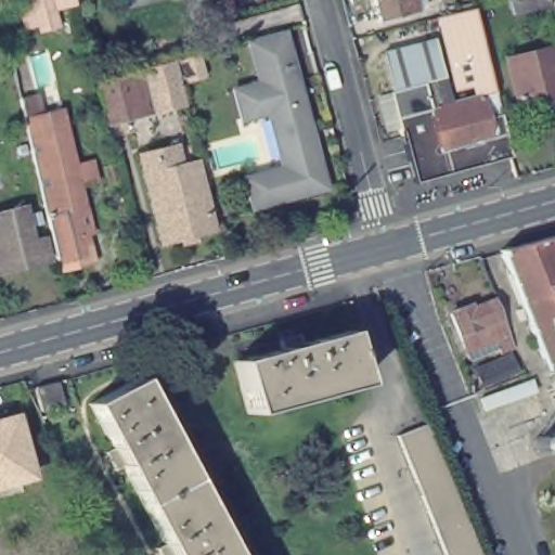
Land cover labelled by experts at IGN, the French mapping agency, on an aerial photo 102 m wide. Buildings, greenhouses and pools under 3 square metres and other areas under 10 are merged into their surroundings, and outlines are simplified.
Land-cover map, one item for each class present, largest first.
<instances>
[{"label":"impervious surface","instance_id":"1","mask_svg":"<svg viewBox=\"0 0 555 555\"><path fill-rule=\"evenodd\" d=\"M425 17L421 9L399 17H382V7L377 0H295L286 9L236 22L241 39L247 43L260 37L291 33L304 87L314 85L312 74L325 72L327 85L332 89V93L327 95L332 119L334 126V134L340 147L338 152L347 165L345 178L347 189H358V219L349 225L347 236L336 245H332L327 238L312 234L301 245L284 247L262 256H243L238 260H202L199 256H193L191 264L182 269H173L160 256L158 269L150 275V282L132 293L113 288L108 280L98 286L100 295L87 304H80L76 299L65 306L61 301L39 304L30 308V312L24 319L17 321H11L4 314H0V388L24 384L28 388H35L37 412L50 414V408L43 401V386L67 384L69 379H80L85 375L98 373L111 366L108 362L113 360V345L117 343V336L121 334L124 325L137 327L143 323L145 314L160 308H167L173 314H180L202 325L204 343L208 345L215 358L219 353L225 358L232 356L247 343L264 336L267 330H271L273 325V319L297 310H312L321 321L345 325L353 334L369 332L382 371V382L364 384L360 388H356L353 384L347 388L349 395L364 392L366 403L362 414L358 418H351L349 429L343 431L345 447L351 462L353 483L356 501L362 505V509L369 533V540H375L377 555H451L403 438V434L425 427L418 418V405L410 392L408 377L397 353V340L390 327V319L384 310L386 301H395V306L399 308L405 332L412 336V347L416 351L418 364L425 371L427 382L436 395L444 429L453 444L473 503L479 512L486 538L492 546V555H548V546L538 520V507H535V483L555 468V453L551 449L553 440H538V434L555 423V364L546 349L535 314L529 306L527 293L518 278L509 249L531 245L544 238H555V169L531 167L529 178L518 176L514 178L509 173V158L490 156L486 165L447 173L440 178H429L421 184L414 182L412 178L416 173V165L405 160V134H395L384 126L377 100L371 78L366 69L369 54L362 50L360 41L375 37L377 28ZM464 260H477L490 286V293L481 295L483 304L492 299L501 301L505 310L507 334L512 338L509 349L518 351L525 364L529 366V379L538 386V392L494 410H483V395L475 390L473 377H464L462 373L457 375V371L453 366L451 353L436 321L431 304L434 286L427 269H453ZM43 54L50 69V85L46 89L50 102H61L52 63L61 59V52ZM17 91L22 95L26 89H33L26 65L15 76ZM124 134L137 132L139 143L150 141L156 137H167L171 145H182V154L189 163L193 160L186 137L180 134V113L176 108L171 113L154 111L145 117H139L137 121H126L117 128ZM238 134L215 141L208 150H204L202 160L208 184L217 180L238 169L236 165L217 167L212 156L215 150L254 141L258 158L256 163H245L243 167L249 178L256 176L258 165H267L280 158V145L271 121L249 124L236 119Z\"/></svg>","mask_w":555,"mask_h":555},{"label":"building","instance_id":"2","mask_svg":"<svg viewBox=\"0 0 555 555\"><path fill-rule=\"evenodd\" d=\"M80 0H37L24 15V24L39 33L59 30L61 22V11L76 9ZM382 7V17H399L421 9L425 0H377ZM516 17L544 13L546 17L555 20V0H507ZM442 39L438 41L434 39L427 43L386 52L388 72L392 91L390 95H382L377 100L384 126L395 134H405V160L416 165V173L412 178L414 182L421 184L429 178H440L447 173L486 165L490 156L509 158V173L514 178L518 176L514 165L516 154L512 152L507 141L509 126L501 95L479 11H464L442 17L440 30ZM251 50V67L256 82L232 89L236 119L249 124L271 121L280 145V158L267 165H258L256 176L249 178L251 210H264L278 204L314 199L319 193H330L332 184L319 141L321 117L317 108L314 85L304 87L291 33L260 37L247 43ZM505 80L509 82V89L516 100L551 95L555 102V46L548 43L542 50L507 56L505 65H501ZM208 72L202 59L176 56L165 65H152L150 69H139L124 74L119 78H111L115 85L102 98V104L108 115V126L117 128L126 121H137L139 117H145L154 111L171 113L176 108L180 113L189 106L186 89L193 82L206 80ZM24 100L20 102V111L28 121V145H20L17 156L30 158L43 208L35 212L30 210V206H15L11 210L0 212V280L11 282L22 271L35 267H50L59 260L63 271L72 273L80 269H93L98 264L93 236H100V230L95 228L89 208L87 184L98 176L100 160L93 163L78 158L72 126L67 113L65 104L61 102H50L46 89H26L22 95ZM154 152H145L141 156V165L152 199V215L154 221L158 225L163 247L197 245L208 236L219 234V225L208 184L202 160H193L189 163L182 154V145H171L167 137H156L150 141ZM518 278L527 293L529 306L535 314L546 349L555 364V238H544L531 245L509 249ZM455 340L464 358H468L466 366L457 371V375L462 373L464 377H473L475 390L483 395V410H494L538 392V386L529 379V366L525 364L518 351L509 349L512 338L507 334L505 310L501 301L492 299L483 304L455 308L449 314ZM245 410L256 416L284 414L291 410H299L306 405L349 395L347 388L353 384L356 388H360L364 384L382 382V371L369 332L353 334L321 340L308 347L291 349L260 360H243L234 364ZM102 425V431L113 442L108 455L113 468L126 475L137 494L147 514L154 518L165 540L158 548L156 555H251L169 399L158 379L143 384L106 403H95L93 410ZM43 401L50 408L65 410L72 405L67 384L43 386ZM41 481V466L35 453L26 416L13 414L0 418V496L22 492L24 486ZM553 440L551 449L555 453V423L538 434V440ZM403 438L451 555H483L477 533L460 499V492L453 483L451 470L436 444L434 431L431 427H425L403 434Z\"/></svg>","mask_w":555,"mask_h":555},{"label":"herbaceous vegetation","instance_id":"3","mask_svg":"<svg viewBox=\"0 0 555 555\"><path fill-rule=\"evenodd\" d=\"M134 24L121 26L115 33H108L98 20H91L87 24V33L95 41L93 50L98 54H106L108 48L121 43L130 56H134L143 43L145 48L154 50L165 41L180 37L193 24L184 0H139L134 4ZM496 0H425L421 9L425 17L377 28L375 37L377 41H384L392 33L403 35L410 30H421V35H429L440 30L442 17L464 11H479L501 95L509 89V82L505 80L501 65L496 56L490 13ZM72 24L61 22L59 30L39 33L35 54H43L61 52V59L52 63L61 102L65 104L67 113L72 111V106H80V93L100 95V85L106 78L89 67V56L75 55L69 51ZM212 69L208 72L206 80L193 82L199 104L195 117L202 121H210V137L215 141L238 134L232 89L256 82L251 67V50L245 56H241L234 65H228L223 59H217L215 63H210ZM377 100L382 95H390L392 91L388 72L384 69L382 74H373L371 78ZM24 100L22 95L17 91L15 76L2 72L0 82V212L11 210L15 206H30V210L35 212L43 208L30 158L17 156L20 145H28V121L20 111V102ZM78 158L93 163L100 160L98 176L87 184L89 208L95 228L100 230V236H93L98 264L93 269H80L72 273L76 275V280H91L98 286L108 280L106 275L113 269V262L117 260V236L121 232V221L137 215L128 180L130 169L126 167L119 145L113 141L111 134L99 145L93 115H87V119L78 126H72ZM538 154H516L514 165L518 176L529 178L531 167L555 169V124L538 141ZM130 169L139 204L143 212L152 215V199L141 165V156L145 152H154L150 141L139 143L137 132L124 134ZM219 225L232 234L234 228L243 221L236 215H228L221 208L217 180L208 184ZM330 193H319L314 199L278 204L264 210L271 221L278 223L293 219L295 215L317 219L319 204L330 202ZM152 243L150 247H145L150 275L158 269L160 256L158 247H163L158 225L154 221L147 228ZM434 286L431 304L436 321L451 353L453 366L457 371L466 366L468 358H464L455 340L449 314L455 308L483 304L481 295L490 293V286L477 260H464L453 269H427ZM15 288H26L28 299H20L22 312L4 314L11 321H17L24 319L30 312V308L39 304L61 301L54 284V273L50 267H35L22 271L11 282ZM353 334L345 325L321 321L312 310H297L273 319V325L271 330H267L264 336L247 343L232 356L225 358L219 353L215 358L210 369L221 382L208 403L195 401L191 392H176L169 399L251 555H377L375 540H369V533L358 542H351L347 540L345 525L340 522L343 518L353 516L362 509V505L356 501L353 483L340 496H334V501L330 503V512L306 507L299 514H295L284 509V496L288 494V490L269 464L273 457L280 455L286 460L295 457V449L319 425H325L334 436L330 444H325L327 453H334L340 447H345L343 431L349 429L351 418H358L362 414L366 403L364 392L349 395L306 405L299 410H291L284 414L256 416L245 410L234 364L243 360H260L291 349L308 347L321 340ZM143 384L141 379H117L111 382L98 395L100 403H106ZM13 414L26 416L35 453L41 466L48 464V453L39 447V434H50L54 438L63 464L94 457L91 451L93 447L87 442L80 427V405H72L65 410L50 408V414L37 412L35 388H28L24 384L0 388V418ZM91 438L95 447L108 455L113 442L102 431V425L93 410L87 412ZM540 494H551V496H555V468L535 483V499L540 496ZM95 481L102 486V492L113 509V529L119 535L121 546L137 551L139 555H147L134 527L124 516L121 505L104 473ZM52 483L46 477H41V481L24 486L22 492L0 496V555H78V548L72 546L76 535H65L54 522L50 503ZM130 507L143 538L150 542V546L158 548L165 540L154 518L147 514L137 494L128 499ZM538 520L548 546V555H555V509H551V512H544V509H542V512H540V509H538Z\"/></svg>","mask_w":555,"mask_h":555},{"label":"deciduous trees","instance_id":"4","mask_svg":"<svg viewBox=\"0 0 555 555\"><path fill-rule=\"evenodd\" d=\"M37 0H0V82L2 72L15 76L26 65V56L35 54L39 33L24 24V15ZM139 0H80L76 9L61 11V22L72 24L69 51L75 55L89 56V67L106 78L100 85V95L102 98L115 85L111 78H119L124 74L139 69H150L152 65H165L176 56L202 59L208 72L212 69L210 63H215L217 59H223L228 65H234L241 56H245L251 50L247 43L241 39L236 22L286 9L295 0H184L193 24L180 37L165 41L154 50L145 48L143 43L134 56H130L121 43L108 48L106 54H98L93 50L95 41L87 33V24L91 20H98L108 33H115L121 26L134 24V4ZM490 13L496 56L501 65H505L507 56L542 50L548 43L555 46V20L546 17L544 13L516 17L507 0H496ZM189 106L180 113V134L186 137L193 160H202L204 150H208L215 141L210 137V121H202L195 117L199 104L193 82L186 89ZM509 126L507 141L512 152L516 154H538V141L555 124V102L551 95L516 100L509 89L501 95ZM319 141L332 184L330 193V202L319 204L317 219L295 215L293 219L278 223L271 221L264 210H251L249 178L243 167L238 169L217 180L221 208L228 215H236L243 221L234 228L232 234L219 225V234L208 236L197 245L163 247H158L160 256L173 269H182L191 264L193 256H199L202 260H238L243 256H262L284 247L301 245L312 234L327 238L332 245H336L347 236L349 225L358 219V189H347L345 178H336L334 173L323 134L325 128L334 126L332 119L321 117ZM152 243L147 228L139 225L137 215L121 221V232L117 236V260L113 262V269L106 275L108 280L113 288L132 293L150 282V275L145 247H150ZM54 273V284L61 301L65 306L76 299L80 304H87L100 295L98 286L91 280H76V275L72 273L63 271L59 260L50 267ZM20 299H28L26 288H15L11 282L0 280V314H4L22 312ZM215 358L208 345L204 343L202 325L180 314H173L167 308H160L145 314L143 323L137 327L124 325L121 334L117 336V343L113 345V360L108 362L111 366L117 371V379H141L143 384L158 379L169 399L176 392H191L195 401L208 403L221 382L210 369ZM334 436L325 425H319L295 449V457L286 460L280 455L273 457L269 464L288 490V494L284 496V509L295 514H299L306 507L330 512V503L334 501V496H340L353 483L351 462L345 447H340L334 453H327L325 444H330ZM39 447L48 453V464L41 466V477H46L52 483L50 503L54 522L65 535H76L72 546L78 548V555H139L137 551L121 546L119 535L113 529V509L102 492V486L95 481L104 473L94 457L63 464L54 438L50 434H39ZM535 507H538V509H540V512H542V509H544V512H551V509H555V496H551V494H540V496L535 499ZM340 522L345 525L347 540L351 542H358L369 533L362 509L353 516L343 518Z\"/></svg>","mask_w":555,"mask_h":555},{"label":"brushwood","instance_id":"5","mask_svg":"<svg viewBox=\"0 0 555 555\"><path fill-rule=\"evenodd\" d=\"M314 85L317 108L321 117L332 119L327 95L332 93V89L327 85L325 72L312 74ZM80 106H72V111L67 113L72 126H78L87 119V115H93L99 145L111 134L113 141L119 145L126 167L130 169L124 134L117 128L108 126V115L102 104V98L100 95L80 93ZM323 134L334 173L336 178H345L347 165L338 152L340 147L334 134V126L325 128ZM128 180L137 215L139 225L147 228L154 221L152 215L143 212L139 204L130 169ZM384 310L390 319V327L397 340V353L408 377L410 392L418 405V418L425 427H431L434 431L436 444L451 470L453 483L460 492V499L477 533L483 555H492V546L486 538L479 512L473 503L453 444L444 429L436 395L427 382L425 371L418 364L416 351L412 347V336L405 332L399 308L395 306V301H386ZM100 382L98 373L85 375L80 379H69L67 384L72 405H80L85 390Z\"/></svg>","mask_w":555,"mask_h":555},{"label":"pervious surface","instance_id":"6","mask_svg":"<svg viewBox=\"0 0 555 555\"><path fill-rule=\"evenodd\" d=\"M434 39L438 41L442 39L440 30L429 35H421V30H410L403 35L392 33L384 41H377L375 37L360 41L362 50L369 54L366 69L371 78L373 74H382L384 69L388 72L386 52L427 43ZM100 382L85 390L80 405V427L87 442L93 447L91 451L94 457L104 473L121 505L124 516L134 527L147 555H156L158 548L150 546V542L143 538L130 507L128 499L137 494L126 475L113 468L108 455L95 447L91 438L87 412L93 410L95 403H100L98 395L111 382L117 379V371L111 366L98 373Z\"/></svg>","mask_w":555,"mask_h":555},{"label":"swimming pool","instance_id":"7","mask_svg":"<svg viewBox=\"0 0 555 555\"><path fill-rule=\"evenodd\" d=\"M26 65L33 89H46L50 85V69L43 54H35L26 56ZM212 156L217 167L236 165L238 169L243 167L245 163H256L258 158L254 141L215 150Z\"/></svg>","mask_w":555,"mask_h":555}]
</instances>
